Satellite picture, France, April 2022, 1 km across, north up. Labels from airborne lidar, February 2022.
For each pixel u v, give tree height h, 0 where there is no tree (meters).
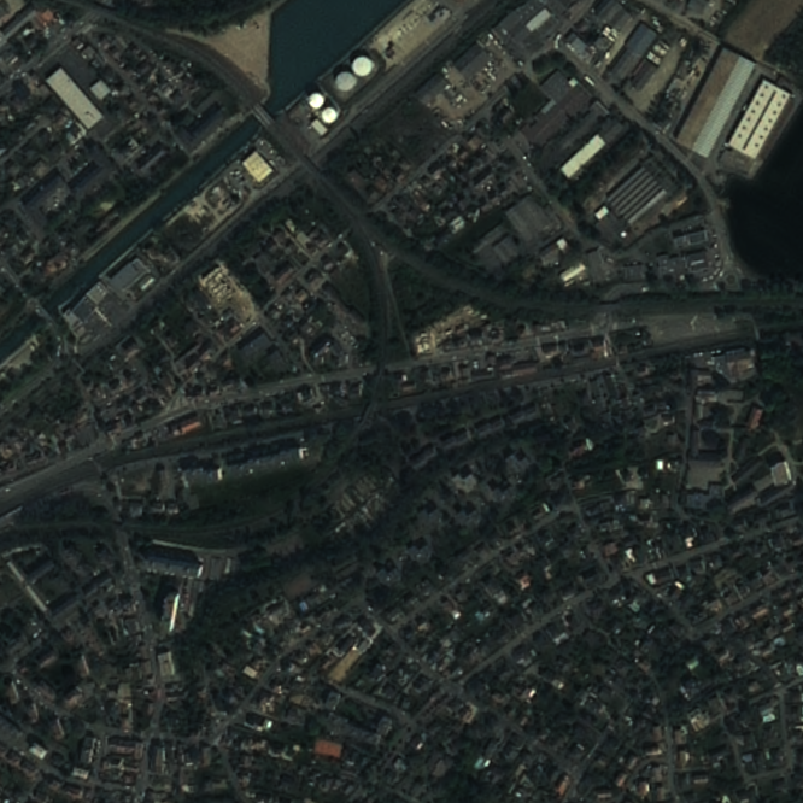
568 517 7
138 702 0
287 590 0
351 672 0
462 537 16
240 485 0
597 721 12
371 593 8
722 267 0
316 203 15
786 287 15
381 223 9
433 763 0
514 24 0
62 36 0
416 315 9
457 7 0
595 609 0
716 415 13
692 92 0
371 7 0
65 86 0
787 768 0
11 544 15
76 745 0
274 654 7
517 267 11
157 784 0
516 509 6
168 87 0
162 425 0
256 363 0
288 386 0
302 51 0
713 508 18
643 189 0
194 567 0
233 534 9
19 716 17
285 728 12
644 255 0
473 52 0
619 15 0
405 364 0
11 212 6
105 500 0
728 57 0
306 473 0
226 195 0
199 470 0
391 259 0
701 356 0
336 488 0
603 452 6
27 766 0
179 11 15
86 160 0
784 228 0
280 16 0
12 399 0
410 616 0
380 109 0
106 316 0
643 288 0
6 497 0
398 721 15
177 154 0
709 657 10
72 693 0
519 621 0
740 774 8
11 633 22
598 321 0
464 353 0
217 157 0
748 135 0
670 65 0
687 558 0
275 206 11
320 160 0
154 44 8
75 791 0
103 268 0
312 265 0
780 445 0
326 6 0
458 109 0
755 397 0
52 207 0
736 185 0
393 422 17
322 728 12
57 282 0
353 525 0
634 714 0
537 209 0
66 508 19
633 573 0
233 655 13
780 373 21
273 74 0
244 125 0
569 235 0
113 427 0
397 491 0
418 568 17
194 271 11
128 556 0
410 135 0
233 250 16
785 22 0
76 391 6
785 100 0
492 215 0
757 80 0
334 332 0
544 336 0
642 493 0
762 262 0
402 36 0
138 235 0
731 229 0
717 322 0
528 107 0
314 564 16
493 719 15
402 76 0
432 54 0
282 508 0
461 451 19
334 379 0
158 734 0
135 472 0
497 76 0
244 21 12
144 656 0
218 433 0
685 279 0
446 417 17
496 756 0
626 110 0
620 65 0
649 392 12
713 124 0
